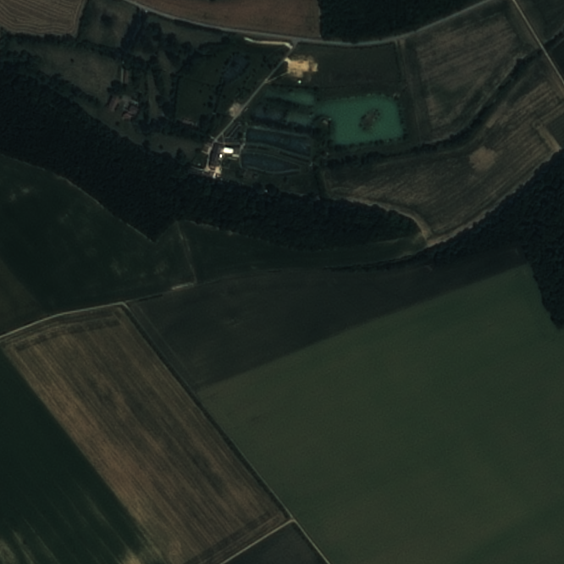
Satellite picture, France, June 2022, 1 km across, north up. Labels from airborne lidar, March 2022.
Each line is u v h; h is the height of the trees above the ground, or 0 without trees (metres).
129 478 0
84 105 0
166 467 0
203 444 0
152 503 0
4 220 0
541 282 18
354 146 9
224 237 0
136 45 31
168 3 0
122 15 0
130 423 0
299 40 0
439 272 0
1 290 0
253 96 0
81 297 0
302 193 0
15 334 0
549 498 0
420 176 0
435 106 0
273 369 0
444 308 0
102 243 0
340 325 0
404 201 0
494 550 0
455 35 0
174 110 14
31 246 0
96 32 0
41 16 0
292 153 0
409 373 0
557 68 0
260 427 0
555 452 0
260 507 0
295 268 0
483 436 0
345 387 0
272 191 18
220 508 0
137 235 0
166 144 0
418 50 0
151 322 0
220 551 0
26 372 0
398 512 0
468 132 14
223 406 0
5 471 0
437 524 0
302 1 0
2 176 0
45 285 0
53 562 0
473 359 0
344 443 0
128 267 0
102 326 0
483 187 0
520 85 0
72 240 0
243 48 0
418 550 0
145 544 0
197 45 0
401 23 18
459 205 0
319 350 0
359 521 0
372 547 0
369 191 0
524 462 0
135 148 15
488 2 0
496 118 0
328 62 0
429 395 0
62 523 0
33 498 0
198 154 0
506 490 0
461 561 0
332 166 18
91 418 0
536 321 0
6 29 0
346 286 0
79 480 0
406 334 0
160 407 0
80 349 0
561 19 0
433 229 0
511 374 0
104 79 0
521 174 0
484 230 19
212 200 20
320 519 0
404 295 0
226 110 0
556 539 0
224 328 0
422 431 0
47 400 0
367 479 0
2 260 0
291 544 0
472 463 0
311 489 0
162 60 0
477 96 0
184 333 0
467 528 0
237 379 0
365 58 0
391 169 0
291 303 0
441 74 0
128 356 0
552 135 0
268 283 0
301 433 0
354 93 0
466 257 15
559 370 0
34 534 0
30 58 20
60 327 0
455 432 0
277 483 0
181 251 0
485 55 0
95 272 0
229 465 0
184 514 0
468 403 0
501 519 0
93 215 0
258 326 0
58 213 0
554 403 0
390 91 0
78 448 0
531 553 0
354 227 22
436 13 6
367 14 13
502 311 0
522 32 0
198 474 0
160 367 0
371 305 0
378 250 0
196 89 0
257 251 0
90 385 0
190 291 0
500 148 0
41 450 0
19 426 0
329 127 0
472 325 0
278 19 0
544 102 0
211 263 0
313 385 0
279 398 0
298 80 0
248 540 0
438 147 9
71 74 0
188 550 0
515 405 0
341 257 0
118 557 0
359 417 0
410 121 0
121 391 0
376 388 0
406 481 0
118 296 0
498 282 0
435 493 0
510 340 0
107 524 0
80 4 0
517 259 0
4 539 0
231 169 0
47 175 0
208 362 0
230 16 0
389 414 0
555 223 19
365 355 0
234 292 0
